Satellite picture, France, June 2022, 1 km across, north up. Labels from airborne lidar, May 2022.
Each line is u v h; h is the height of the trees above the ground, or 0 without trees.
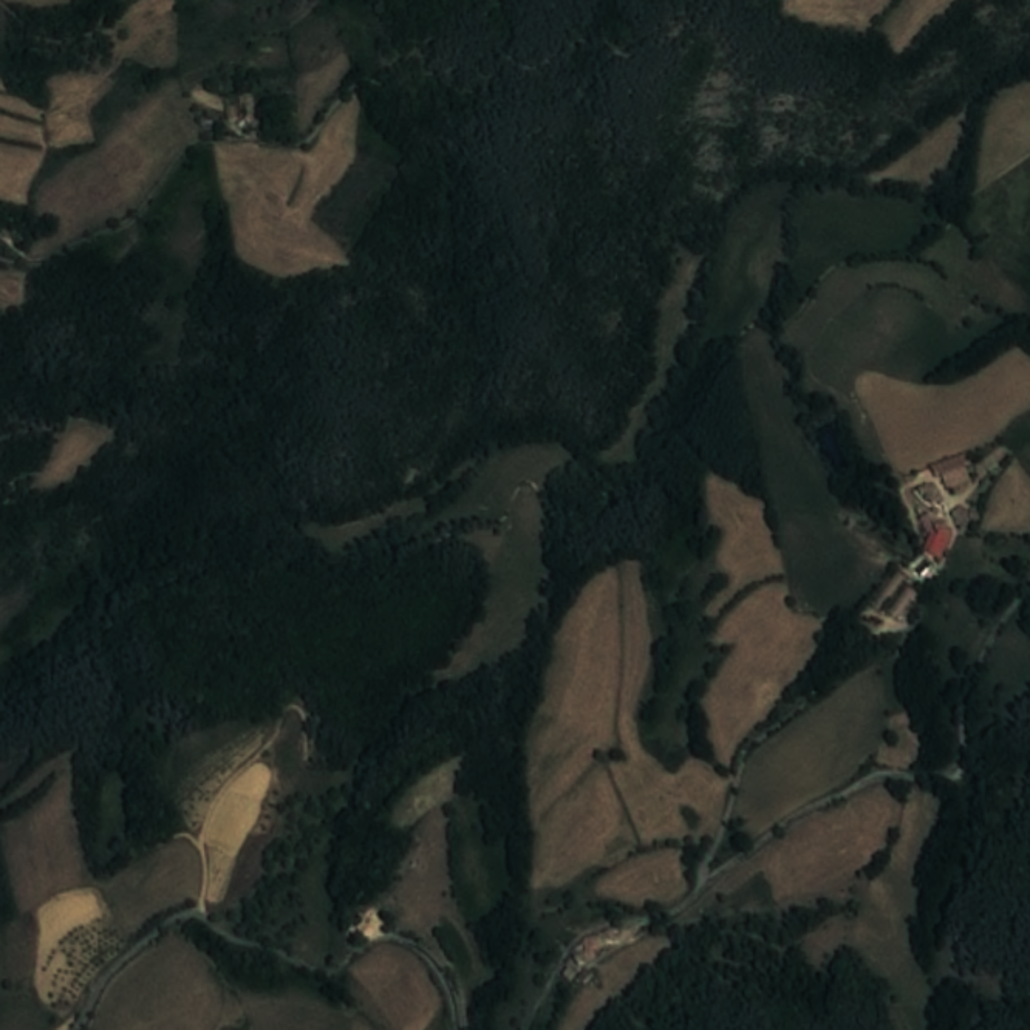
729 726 0
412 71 9
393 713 18
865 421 0
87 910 0
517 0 18
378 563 19
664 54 17
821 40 13
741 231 0
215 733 0
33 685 12
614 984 0
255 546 25
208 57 0
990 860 21
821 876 0
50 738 22
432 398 8
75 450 0
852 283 0
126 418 15
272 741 0
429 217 10
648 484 14
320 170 0
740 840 18
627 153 12
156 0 0
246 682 21
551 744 0
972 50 12
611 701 0
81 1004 0
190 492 14
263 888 10
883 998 20
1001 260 0
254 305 13
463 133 16
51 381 23
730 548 0
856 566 0
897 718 0
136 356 16
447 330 16
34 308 9
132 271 15
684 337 19
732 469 23
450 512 0
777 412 0
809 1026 14
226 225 9
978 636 0
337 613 17
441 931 14
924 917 16
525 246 15
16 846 0
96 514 9
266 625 17
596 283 10
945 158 0
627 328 9
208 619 18
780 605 0
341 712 14
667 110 9
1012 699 0
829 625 15
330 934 0
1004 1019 20
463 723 16
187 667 20
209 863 0
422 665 13
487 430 12
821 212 0
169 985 0
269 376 14
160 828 14
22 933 0
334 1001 10
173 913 8
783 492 0
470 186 11
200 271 11
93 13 12
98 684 14
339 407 14
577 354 13
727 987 9
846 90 12
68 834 0
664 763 0
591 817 0
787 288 28
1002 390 0
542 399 7
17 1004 0
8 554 7
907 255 8
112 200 0
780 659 0
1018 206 0
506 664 16
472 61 15
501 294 13
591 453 21
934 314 0
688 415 19
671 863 0
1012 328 18
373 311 7
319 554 22
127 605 18
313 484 15
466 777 14
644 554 15
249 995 0
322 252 0
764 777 0
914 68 12
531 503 0
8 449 11
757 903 0
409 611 10
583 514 18
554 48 13
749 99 6
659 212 11
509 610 0
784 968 10
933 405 0
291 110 8
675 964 20
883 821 0
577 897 12
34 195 6
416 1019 0
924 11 0
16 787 9
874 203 0
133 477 9
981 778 17
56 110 0
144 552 18
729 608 6
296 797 9
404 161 8
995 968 11
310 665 14
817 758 0
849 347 0
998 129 0
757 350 0
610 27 14
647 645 0
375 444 11
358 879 16
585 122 13
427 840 0
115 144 0
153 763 12
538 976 8
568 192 12
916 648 20
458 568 14
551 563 21
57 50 9
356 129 0
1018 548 0
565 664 0
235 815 0
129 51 0
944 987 13
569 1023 0
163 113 0
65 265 6
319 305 17
